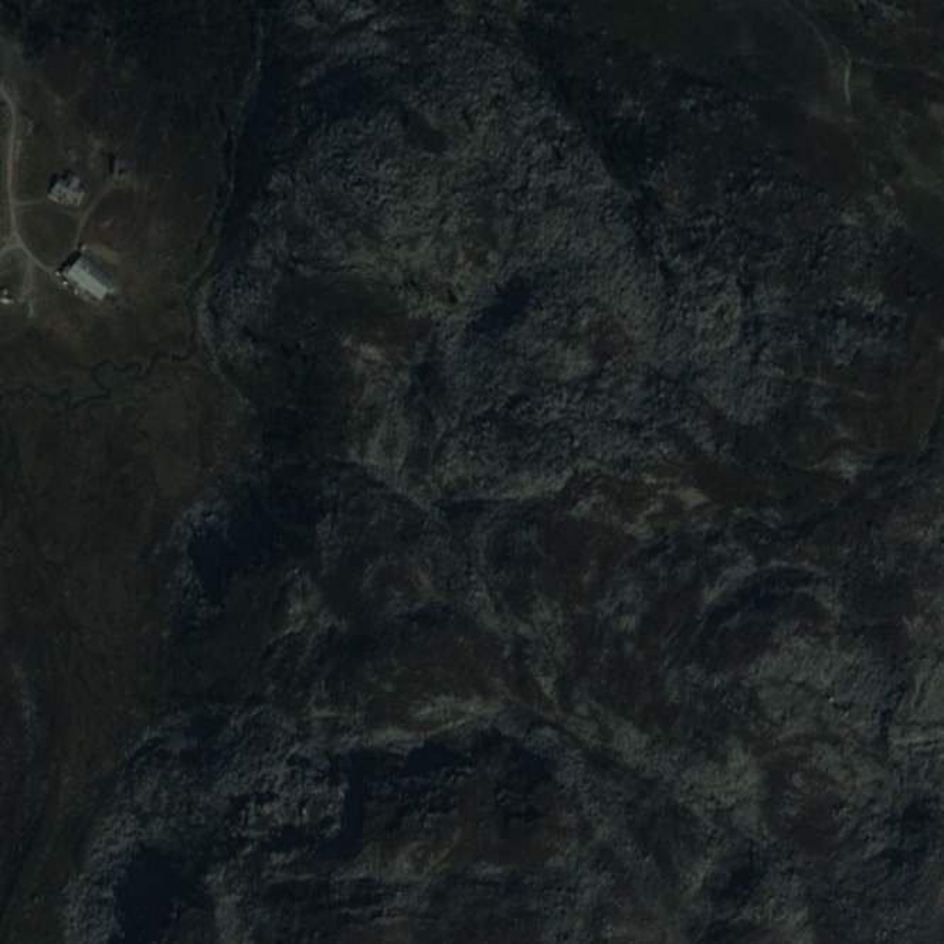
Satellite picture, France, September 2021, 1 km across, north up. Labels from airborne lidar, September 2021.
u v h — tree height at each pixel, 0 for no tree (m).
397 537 0
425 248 0
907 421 0
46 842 0
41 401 0
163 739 0
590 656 0
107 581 0
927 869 0
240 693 0
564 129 0
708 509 0
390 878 0
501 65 0
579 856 0
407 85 0
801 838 0
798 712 0
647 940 0
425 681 0
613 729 0
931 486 0
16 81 0
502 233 0
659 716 0
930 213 0
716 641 0
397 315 0
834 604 0
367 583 0
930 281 0
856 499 0
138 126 0
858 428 0
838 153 0
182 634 0
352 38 0
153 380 0
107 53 0
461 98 0
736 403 0
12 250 0
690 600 0
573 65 0
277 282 0
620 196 0
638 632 0
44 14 0
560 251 0
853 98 0
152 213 0
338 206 0
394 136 0
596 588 0
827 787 0
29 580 0
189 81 0
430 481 0
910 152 0
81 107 0
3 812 0
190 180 0
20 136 0
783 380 0
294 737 0
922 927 0
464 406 0
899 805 0
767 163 0
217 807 0
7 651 0
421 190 0
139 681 0
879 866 0
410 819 0
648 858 0
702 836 0
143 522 0
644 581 0
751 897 0
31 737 0
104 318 0
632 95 0
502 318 0
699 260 0
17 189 0
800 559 0
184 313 0
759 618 0
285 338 0
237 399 0
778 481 0
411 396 0
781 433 0
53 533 0
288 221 0
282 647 0
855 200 0
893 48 0
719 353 0
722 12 0
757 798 0
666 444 0
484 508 0
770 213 0
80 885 0
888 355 0
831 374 0
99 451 0
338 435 0
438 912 0
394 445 0
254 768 0
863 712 0
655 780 0
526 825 0
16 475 0
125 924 0
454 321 0
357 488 0
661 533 0
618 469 0
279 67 6
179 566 0
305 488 0
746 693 0
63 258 0
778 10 0
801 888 0
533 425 0
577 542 0
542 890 0
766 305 0
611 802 0
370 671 0
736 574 0
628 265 0
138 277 0
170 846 0
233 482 0
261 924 0
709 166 0
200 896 0
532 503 0
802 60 0
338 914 0
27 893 0
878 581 0
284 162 0
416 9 0
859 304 0
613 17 0
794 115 0
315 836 0
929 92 0
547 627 0
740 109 0
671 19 0
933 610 0
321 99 0
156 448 0
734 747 0
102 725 0
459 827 0
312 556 0
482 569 0
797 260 0
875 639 0
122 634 0
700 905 0
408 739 0
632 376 0
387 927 0
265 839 0
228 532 0
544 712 0
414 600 0
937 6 0
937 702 0
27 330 0
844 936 0
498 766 0
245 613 0
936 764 0
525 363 0
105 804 0
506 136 0
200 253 9
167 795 0
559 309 0
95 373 0
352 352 0
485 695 0
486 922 0
